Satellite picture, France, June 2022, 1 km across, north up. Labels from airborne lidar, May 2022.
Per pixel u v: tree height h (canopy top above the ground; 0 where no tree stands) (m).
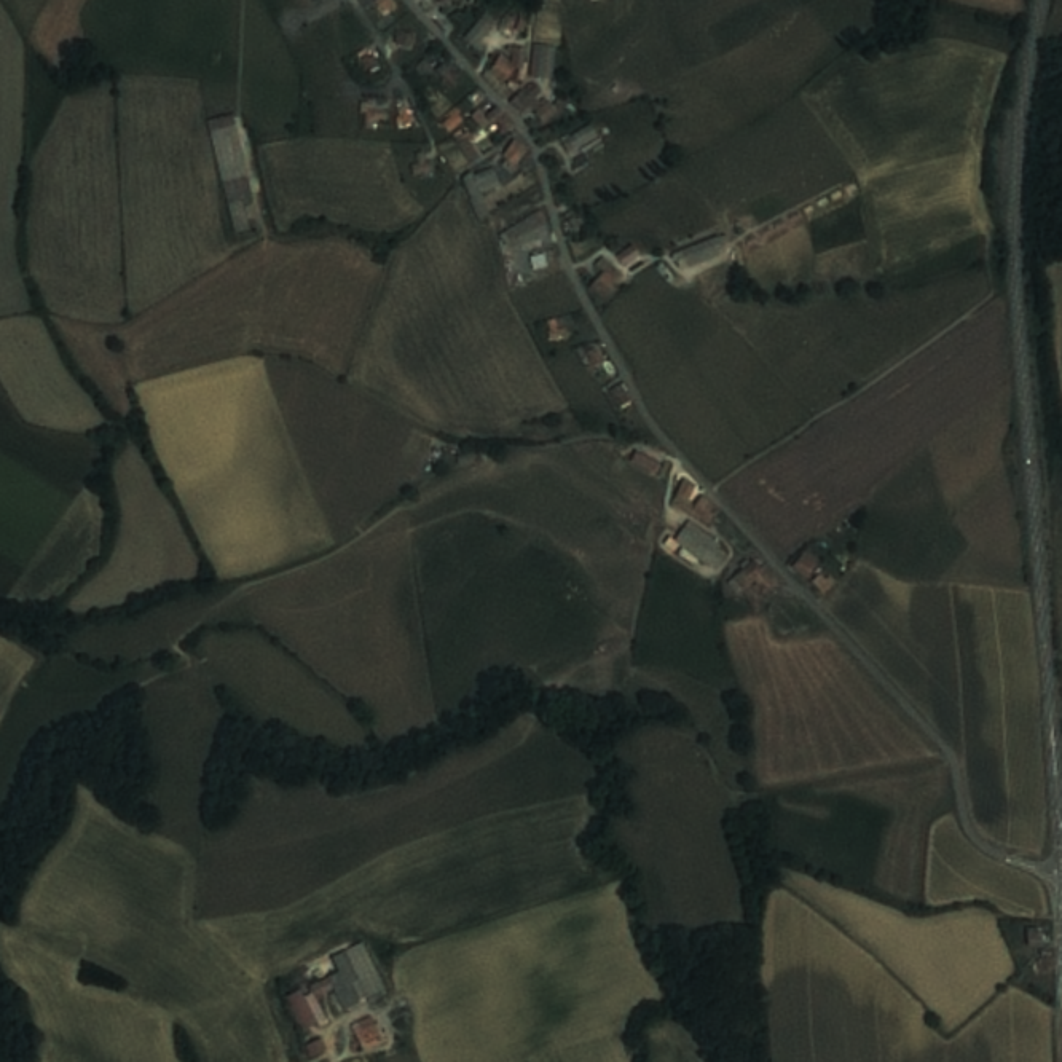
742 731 15
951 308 0
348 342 0
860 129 0
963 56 0
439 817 0
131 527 0
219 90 0
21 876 16
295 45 0
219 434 0
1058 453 6
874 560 0
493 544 0
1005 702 0
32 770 17
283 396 0
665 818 0
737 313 0
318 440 0
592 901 0
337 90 0
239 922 0
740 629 0
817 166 0
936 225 0
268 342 0
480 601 0
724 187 0
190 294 0
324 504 0
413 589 0
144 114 0
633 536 0
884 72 0
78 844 0
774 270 0
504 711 18
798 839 0
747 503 0
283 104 0
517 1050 0
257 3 0
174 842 0
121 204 0
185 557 0
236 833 0
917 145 0
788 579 0
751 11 0
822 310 0
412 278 0
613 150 0
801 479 0
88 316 0
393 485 0
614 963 0
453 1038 0
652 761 0
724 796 0
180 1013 0
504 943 0
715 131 0
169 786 0
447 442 8
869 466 0
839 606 0
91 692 0
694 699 0
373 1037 0
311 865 0
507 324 0
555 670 0
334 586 0
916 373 0
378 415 0
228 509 0
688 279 0
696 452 0
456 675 0
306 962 0
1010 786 0
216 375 0
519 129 0
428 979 0
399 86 0
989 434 0
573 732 20
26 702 0
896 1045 0
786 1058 0
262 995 0
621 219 0
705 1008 24
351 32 0
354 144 0
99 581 0
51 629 21
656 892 0
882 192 0
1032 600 0
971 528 0
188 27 0
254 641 0
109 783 23
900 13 20
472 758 0
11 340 0
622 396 0
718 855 0
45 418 0
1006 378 0
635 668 0
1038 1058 0
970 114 0
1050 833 0
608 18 0
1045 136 17
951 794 0
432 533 0
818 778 0
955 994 0
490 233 0
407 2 0
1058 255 21
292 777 18
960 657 0
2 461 0
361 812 0
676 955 21
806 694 0
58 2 0
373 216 0
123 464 0
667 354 0
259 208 0
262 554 0
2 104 0
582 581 0
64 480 0
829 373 0
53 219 0
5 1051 20
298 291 0
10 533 0
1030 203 10
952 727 0
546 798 0
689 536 0
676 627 0
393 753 18
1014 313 0
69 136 0
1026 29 16
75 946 0
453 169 0
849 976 0
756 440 0
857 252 0
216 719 0
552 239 0
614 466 0
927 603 0
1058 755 0
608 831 25
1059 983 0
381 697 0
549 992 0
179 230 0
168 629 0
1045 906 0
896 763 0
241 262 0
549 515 0
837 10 0
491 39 0
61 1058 0
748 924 10
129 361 0
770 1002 9
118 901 0
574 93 8
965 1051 0
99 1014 0
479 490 0
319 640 0
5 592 0
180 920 0
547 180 0
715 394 0
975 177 0
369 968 0
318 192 0
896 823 0
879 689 0
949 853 0
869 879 0
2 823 9
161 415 0
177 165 0
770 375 0
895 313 0
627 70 0
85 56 21
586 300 0
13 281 0
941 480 0
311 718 0
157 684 0
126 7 0
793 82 0
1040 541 0
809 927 0
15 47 0
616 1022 0
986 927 0
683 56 0
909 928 0
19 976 0
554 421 16
